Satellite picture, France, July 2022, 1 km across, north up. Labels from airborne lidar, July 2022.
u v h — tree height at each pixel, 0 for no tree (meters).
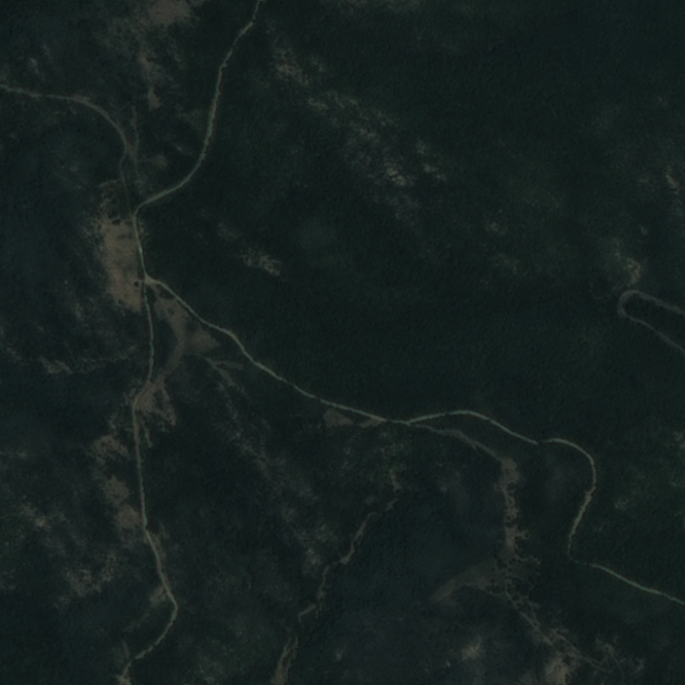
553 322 7
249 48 9
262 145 9
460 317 10
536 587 7
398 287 11
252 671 9
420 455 7
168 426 6
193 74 7
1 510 6
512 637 6
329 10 6
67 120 6
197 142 8
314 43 9
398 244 9
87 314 6
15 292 7
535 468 5
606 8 7
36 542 6
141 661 5
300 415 6
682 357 7
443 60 11
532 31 9
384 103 6
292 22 6
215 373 6
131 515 0
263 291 11
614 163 5
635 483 7
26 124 6
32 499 6
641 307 9
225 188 8
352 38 11
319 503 7
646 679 7
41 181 5
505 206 7
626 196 6
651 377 7
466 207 7
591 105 7
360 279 7
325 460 5
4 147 6
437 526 7
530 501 7
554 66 8
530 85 9
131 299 0
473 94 8
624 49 7
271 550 6
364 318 14
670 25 7
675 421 6
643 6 7
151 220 6
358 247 9
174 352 0
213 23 8
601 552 7
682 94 8
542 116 8
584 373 7
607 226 6
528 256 6
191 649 7
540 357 7
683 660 8
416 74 10
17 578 8
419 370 8
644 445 7
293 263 8
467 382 9
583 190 6
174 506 6
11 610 10
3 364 8
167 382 5
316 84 6
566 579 6
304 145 9
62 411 8
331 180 9
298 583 6
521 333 6
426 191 7
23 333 7
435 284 8
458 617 5
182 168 7
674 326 13
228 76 6
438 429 6
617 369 8
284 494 7
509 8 6
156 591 0
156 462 6
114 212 6
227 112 6
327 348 13
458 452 6
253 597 9
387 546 5
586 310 9
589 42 8
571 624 6
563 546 9
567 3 10
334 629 6
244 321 9
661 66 6
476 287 10
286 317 9
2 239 9
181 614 7
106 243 0
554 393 6
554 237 6
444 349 8
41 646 11
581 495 7
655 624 6
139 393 0
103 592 6
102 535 5
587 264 8
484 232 7
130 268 0
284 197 8
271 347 13
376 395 10
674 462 8
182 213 6
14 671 8
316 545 6
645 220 8
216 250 7
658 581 12
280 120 7
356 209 13
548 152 8
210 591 6
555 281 8
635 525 8
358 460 7
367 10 7
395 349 8
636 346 8
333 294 9
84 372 7
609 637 5
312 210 9
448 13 8
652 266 6
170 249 7
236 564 7
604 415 6
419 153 6
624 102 5
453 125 8
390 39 9
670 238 7
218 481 10
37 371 8
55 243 7
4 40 7
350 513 9
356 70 9
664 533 13
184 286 5
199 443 7
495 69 11
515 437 6
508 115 8
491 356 8
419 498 10
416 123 7
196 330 0
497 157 7
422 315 11
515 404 6
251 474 7
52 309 6
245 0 7
